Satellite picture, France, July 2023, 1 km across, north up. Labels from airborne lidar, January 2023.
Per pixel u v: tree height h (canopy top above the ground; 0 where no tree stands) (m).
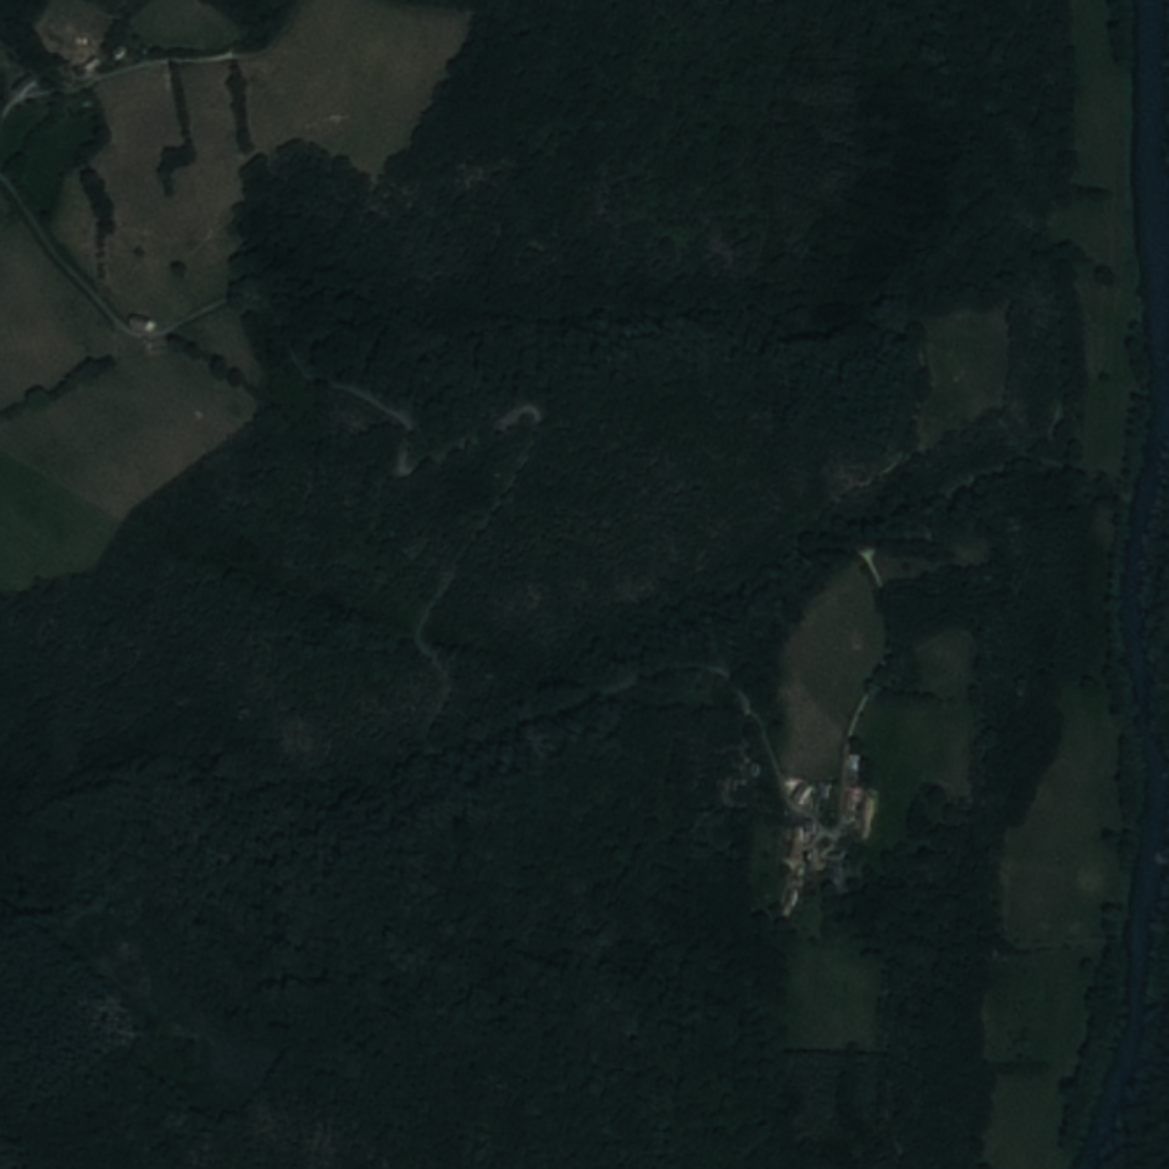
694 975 24
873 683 13
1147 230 0
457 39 0
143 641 6
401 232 14
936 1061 20
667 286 14
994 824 16
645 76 15
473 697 9
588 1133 19
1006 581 10
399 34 0
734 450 17
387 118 0
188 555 7
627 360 19
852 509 14
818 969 0
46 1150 16
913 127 6
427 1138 14
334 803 8
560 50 13
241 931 19
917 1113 9
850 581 0
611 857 23
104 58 11
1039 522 18
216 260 0
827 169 14
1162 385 0
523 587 9
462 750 7
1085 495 17
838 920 8
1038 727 20
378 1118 12
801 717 0
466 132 18
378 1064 23
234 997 23
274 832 22
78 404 0
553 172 21
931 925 17
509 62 18
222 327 0
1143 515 0
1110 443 0
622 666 21
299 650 20
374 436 13
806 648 0
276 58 0
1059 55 21
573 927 20
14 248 0
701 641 17
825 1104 11
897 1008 14
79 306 0
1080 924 0
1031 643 20
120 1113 23
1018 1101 0
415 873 10
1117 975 14
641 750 20
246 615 15
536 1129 19
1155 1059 8
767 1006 11
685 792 7
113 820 26
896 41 21
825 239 6
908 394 26
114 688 14
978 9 16
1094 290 0
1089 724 0
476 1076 21
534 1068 19
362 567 8
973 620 7
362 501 13
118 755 23
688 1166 19
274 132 0
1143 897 0
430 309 18
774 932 6
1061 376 19
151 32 0
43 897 22
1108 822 0
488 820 15
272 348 6
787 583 17
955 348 0
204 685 15
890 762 0
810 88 11
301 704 15
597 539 10
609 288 19
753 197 5
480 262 14
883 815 0
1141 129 0
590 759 13
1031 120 17
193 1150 10
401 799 13
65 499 0
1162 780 0
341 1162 11
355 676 10
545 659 14
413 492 13
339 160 13
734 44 21
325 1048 19
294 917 30
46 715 17
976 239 7
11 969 34
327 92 0
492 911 18
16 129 0
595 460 14
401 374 21
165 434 0
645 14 19
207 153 0
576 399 13
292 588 7
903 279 18
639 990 23
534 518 7
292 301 23
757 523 8
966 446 10
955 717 0
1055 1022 0
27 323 0
